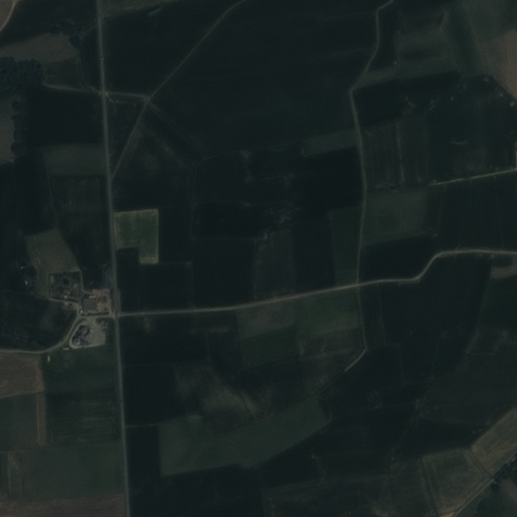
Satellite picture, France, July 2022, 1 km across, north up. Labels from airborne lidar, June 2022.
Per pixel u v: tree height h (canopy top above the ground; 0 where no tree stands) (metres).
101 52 0
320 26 0
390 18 0
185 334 0
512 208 0
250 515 0
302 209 0
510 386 0
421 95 0
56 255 0
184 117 0
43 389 0
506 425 0
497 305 0
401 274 0
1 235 0
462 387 0
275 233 0
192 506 0
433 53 0
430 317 0
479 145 0
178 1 0
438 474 0
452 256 0
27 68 26
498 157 0
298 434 0
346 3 0
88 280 0
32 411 0
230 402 0
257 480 0
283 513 0
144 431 0
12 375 0
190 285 0
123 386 0
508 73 0
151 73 0
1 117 0
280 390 0
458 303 0
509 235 0
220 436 0
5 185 0
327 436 0
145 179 0
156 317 0
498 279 0
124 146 0
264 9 0
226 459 0
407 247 0
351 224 0
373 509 0
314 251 0
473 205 0
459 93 0
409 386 0
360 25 0
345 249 0
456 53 0
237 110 0
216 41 0
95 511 0
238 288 0
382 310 0
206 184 0
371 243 0
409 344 0
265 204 0
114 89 0
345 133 0
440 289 0
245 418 0
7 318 0
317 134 0
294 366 0
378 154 0
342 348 0
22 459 0
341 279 0
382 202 0
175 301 0
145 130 0
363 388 0
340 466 0
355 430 0
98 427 0
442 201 0
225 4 0
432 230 0
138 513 0
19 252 0
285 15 0
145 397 0
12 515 0
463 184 0
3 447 0
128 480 0
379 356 0
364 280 0
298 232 0
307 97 0
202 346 0
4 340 0
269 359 0
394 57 0
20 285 0
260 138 0
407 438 0
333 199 0
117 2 0
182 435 0
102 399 0
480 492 0
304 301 0
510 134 0
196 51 0
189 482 0
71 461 0
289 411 0
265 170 0
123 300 0
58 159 0
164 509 0
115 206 0
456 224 0
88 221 0
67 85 0
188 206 0
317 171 0
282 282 0
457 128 0
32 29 0
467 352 0
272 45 0
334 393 0
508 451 0
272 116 0
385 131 0
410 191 0
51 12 0
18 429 0
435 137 0
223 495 0
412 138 0
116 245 0
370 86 0
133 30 0
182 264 0
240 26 0
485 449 0
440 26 0
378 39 0
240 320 0
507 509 0
